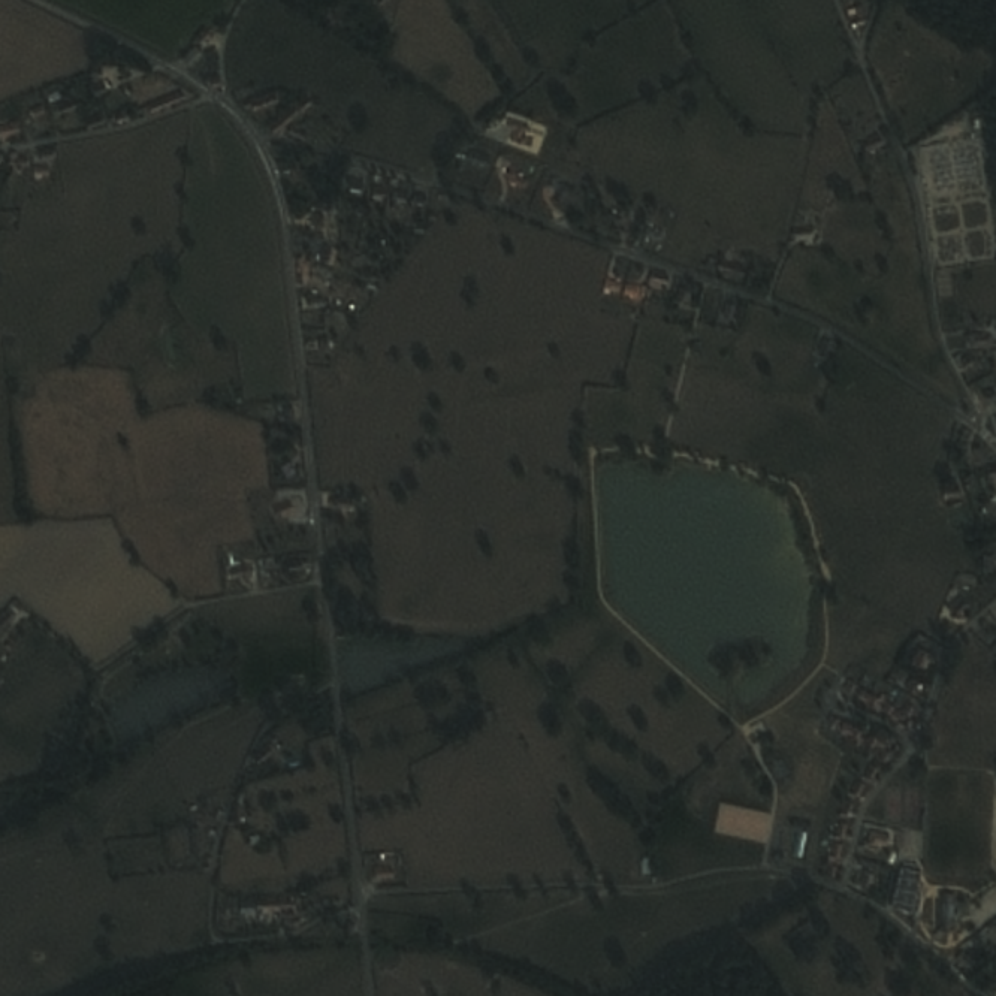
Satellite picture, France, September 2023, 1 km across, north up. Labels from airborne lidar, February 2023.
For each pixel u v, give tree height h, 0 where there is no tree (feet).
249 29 0
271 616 0
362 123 51
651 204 29
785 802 0
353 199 42
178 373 0
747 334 0
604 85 0
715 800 0
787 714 0
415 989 0
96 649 0
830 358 61
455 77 0
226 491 0
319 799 0
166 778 0
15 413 0
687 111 31
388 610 0
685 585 0
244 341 0
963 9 72
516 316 0
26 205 0
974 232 0
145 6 0
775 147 0
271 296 0
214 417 0
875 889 28
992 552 25
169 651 0
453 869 0
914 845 0
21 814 40
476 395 0
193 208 0
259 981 0
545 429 0
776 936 0
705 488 0
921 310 0
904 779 0
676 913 0
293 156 48
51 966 0
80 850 42
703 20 0
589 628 0
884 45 0
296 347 0
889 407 0
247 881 0
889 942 27
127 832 0
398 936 0
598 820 0
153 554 0
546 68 0
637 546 0
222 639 32
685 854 0
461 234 0
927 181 0
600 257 0
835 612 0
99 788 0
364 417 0
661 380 0
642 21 0
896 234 0
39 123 0
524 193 0
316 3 18
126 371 0
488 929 0
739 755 0
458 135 40
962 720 0
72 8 0
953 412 0
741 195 0
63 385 0
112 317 28
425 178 0
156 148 0
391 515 0
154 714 0
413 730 0
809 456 0
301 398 0
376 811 46
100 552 0
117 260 0
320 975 0
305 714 22
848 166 0
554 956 0
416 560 0
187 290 0
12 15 0
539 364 0
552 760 0
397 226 36
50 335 0
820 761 0
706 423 0
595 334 0
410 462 0
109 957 50
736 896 0
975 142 0
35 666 0
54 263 0
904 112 22
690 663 0
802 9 0
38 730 0
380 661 0
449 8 0
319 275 0
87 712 38
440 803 0
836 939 0
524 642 0
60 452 0
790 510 0
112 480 0
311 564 0
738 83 0
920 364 0
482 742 0
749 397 0
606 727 48
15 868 0
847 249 0
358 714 0
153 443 0
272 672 0
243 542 0
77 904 0
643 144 0
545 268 0
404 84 35
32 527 0
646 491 0
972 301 0
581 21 0
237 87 0
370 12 0
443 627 0
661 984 71
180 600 0
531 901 0
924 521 0
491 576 0
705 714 0
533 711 0
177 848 0
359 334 0
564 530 0
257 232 0
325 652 0
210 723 0
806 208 0
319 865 0
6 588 0
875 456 0
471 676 43
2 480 0
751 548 0
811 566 0
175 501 0
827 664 0
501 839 0
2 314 0
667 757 0
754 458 0
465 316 0
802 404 0
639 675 0
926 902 0
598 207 19
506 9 0
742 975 72
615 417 0
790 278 0
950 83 0
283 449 31
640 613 0
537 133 0
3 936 0
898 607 0
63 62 0
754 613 0
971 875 0
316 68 0
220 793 0
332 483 0
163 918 0
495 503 0
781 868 0
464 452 0
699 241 0
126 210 0
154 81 0
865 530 0
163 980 24
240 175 0
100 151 0
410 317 0
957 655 52
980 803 0
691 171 0
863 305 28
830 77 0
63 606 0
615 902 0
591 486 0
